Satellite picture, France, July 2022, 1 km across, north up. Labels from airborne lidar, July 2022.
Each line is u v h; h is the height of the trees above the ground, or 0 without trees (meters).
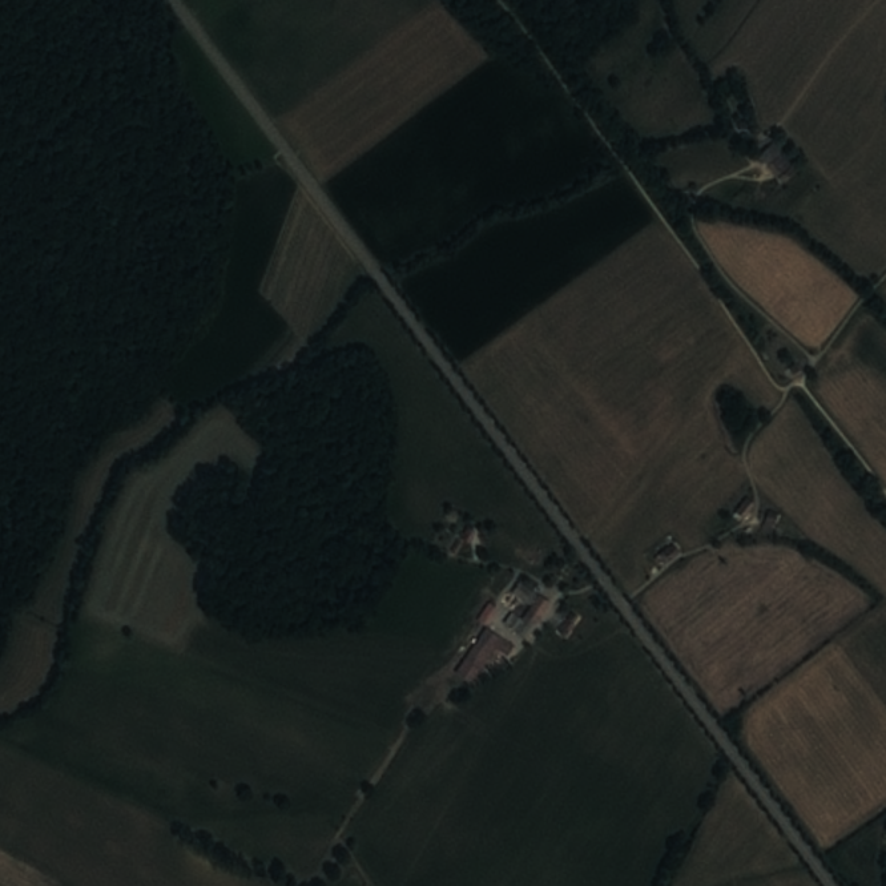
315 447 26
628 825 0
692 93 0
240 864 28
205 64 0
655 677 0
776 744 0
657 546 0
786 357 14
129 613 0
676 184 0
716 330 0
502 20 18
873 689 0
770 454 0
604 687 0
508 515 0
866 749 0
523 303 0
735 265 0
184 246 22
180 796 0
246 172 15
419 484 0
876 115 0
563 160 0
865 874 0
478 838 0
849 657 0
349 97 0
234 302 0
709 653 0
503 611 0
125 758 0
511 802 0
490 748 0
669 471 0
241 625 18
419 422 0
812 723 0
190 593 0
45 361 27
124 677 0
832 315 0
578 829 0
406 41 0
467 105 0
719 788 9
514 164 0
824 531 0
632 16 24
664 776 0
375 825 0
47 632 0
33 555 21
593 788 0
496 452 0
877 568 0
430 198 0
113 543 0
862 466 13
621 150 14
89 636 0
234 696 0
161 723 0
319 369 20
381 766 0
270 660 0
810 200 0
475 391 31
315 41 0
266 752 0
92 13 18
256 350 0
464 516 6
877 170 0
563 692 0
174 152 25
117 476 16
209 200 26
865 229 0
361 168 0
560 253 0
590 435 0
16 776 0
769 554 0
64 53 25
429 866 0
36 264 21
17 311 24
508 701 0
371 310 0
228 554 26
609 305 0
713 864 0
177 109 24
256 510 24
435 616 0
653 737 0
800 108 0
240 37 0
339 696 0
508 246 0
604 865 0
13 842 0
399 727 0
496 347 0
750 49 0
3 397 22
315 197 0
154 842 0
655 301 0
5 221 20
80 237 26
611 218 0
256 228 0
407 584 0
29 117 19
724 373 0
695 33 0
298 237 0
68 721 0
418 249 0
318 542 21
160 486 0
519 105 0
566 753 0
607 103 9
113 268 23
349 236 0
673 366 0
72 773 0
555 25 27
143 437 0
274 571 28
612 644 0
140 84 25
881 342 0
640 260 0
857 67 0
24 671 0
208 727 0
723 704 0
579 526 0
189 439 0
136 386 25
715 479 0
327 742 0
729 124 19
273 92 0
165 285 18
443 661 0
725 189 0
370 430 25
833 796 0
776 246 0
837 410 0
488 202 0
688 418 0
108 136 23
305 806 0
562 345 0
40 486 21
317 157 0
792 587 0
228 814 0
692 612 0
